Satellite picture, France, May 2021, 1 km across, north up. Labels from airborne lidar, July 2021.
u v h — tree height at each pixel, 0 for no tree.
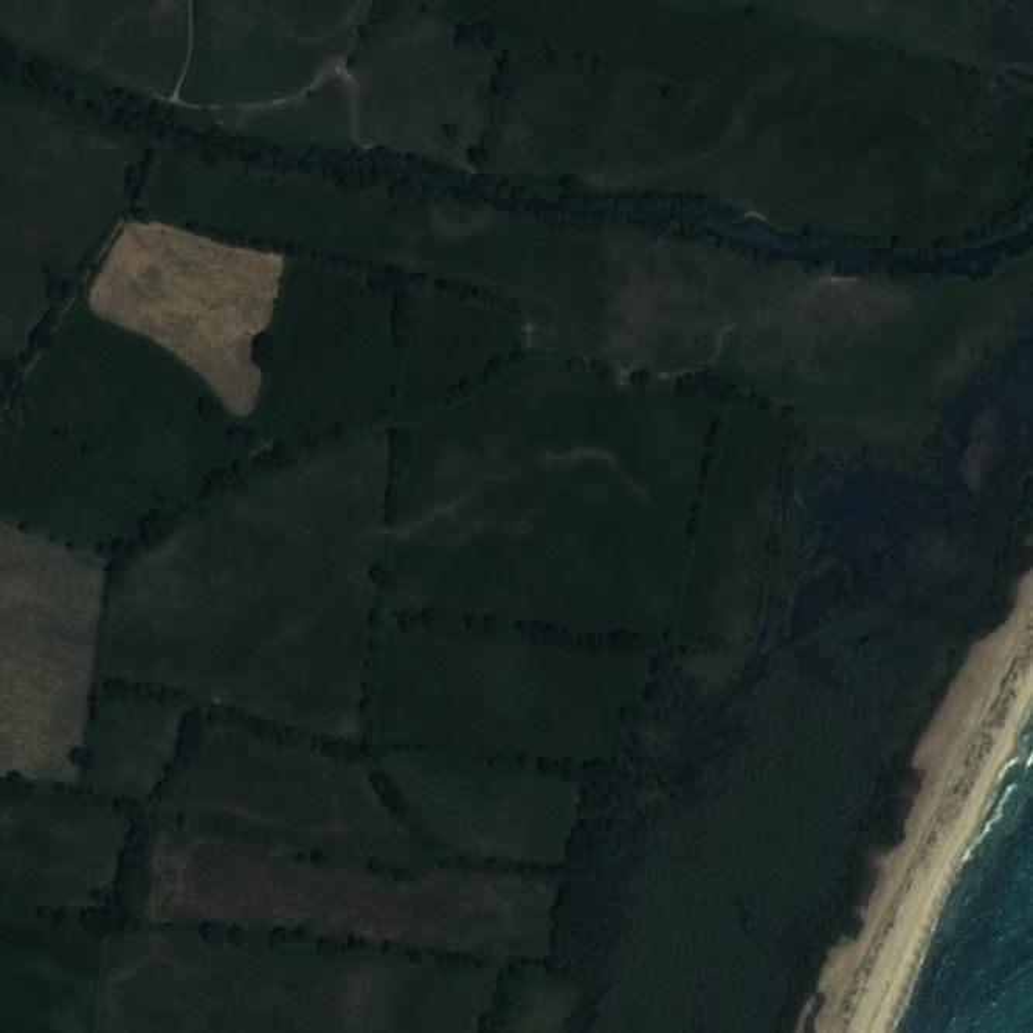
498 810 0
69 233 0
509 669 0
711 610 0
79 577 0
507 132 0
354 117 0
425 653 0
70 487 0
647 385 13
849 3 0
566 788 0
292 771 0
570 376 0
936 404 0
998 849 0
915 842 0
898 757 9
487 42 12
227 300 0
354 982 0
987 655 0
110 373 0
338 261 20
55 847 0
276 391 0
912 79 0
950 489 0
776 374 0
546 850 0
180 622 0
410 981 0
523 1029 0
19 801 0
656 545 0
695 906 6
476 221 0
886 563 0
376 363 0
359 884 0
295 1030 0
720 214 15
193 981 0
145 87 0
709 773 6
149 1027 0
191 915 0
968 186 0
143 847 19
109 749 0
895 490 0
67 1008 0
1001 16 0
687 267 0
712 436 14
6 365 10
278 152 15
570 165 0
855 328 0
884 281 0
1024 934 0
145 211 21
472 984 0
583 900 17
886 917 0
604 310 0
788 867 7
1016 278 0
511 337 0
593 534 0
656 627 0
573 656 0
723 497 0
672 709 13
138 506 0
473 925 0
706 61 0
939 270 8
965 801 0
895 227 0
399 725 0
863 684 6
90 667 0
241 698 0
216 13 0
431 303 0
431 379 0
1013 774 0
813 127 0
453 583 0
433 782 0
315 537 0
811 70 0
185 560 0
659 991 5
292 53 0
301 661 0
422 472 0
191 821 17
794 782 6
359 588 0
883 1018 0
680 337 0
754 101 0
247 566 0
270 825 0
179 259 0
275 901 0
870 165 0
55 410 0
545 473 0
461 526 0
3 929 0
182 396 0
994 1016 0
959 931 0
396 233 0
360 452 0
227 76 0
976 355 0
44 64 16
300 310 0
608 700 0
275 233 0
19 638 0
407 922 0
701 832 7
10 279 0
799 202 0
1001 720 0
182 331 0
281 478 0
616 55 0
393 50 0
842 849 6
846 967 0
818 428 0
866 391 0
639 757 21
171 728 0
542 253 0
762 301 0
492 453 0
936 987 0
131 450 0
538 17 0
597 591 0
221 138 17
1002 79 10
